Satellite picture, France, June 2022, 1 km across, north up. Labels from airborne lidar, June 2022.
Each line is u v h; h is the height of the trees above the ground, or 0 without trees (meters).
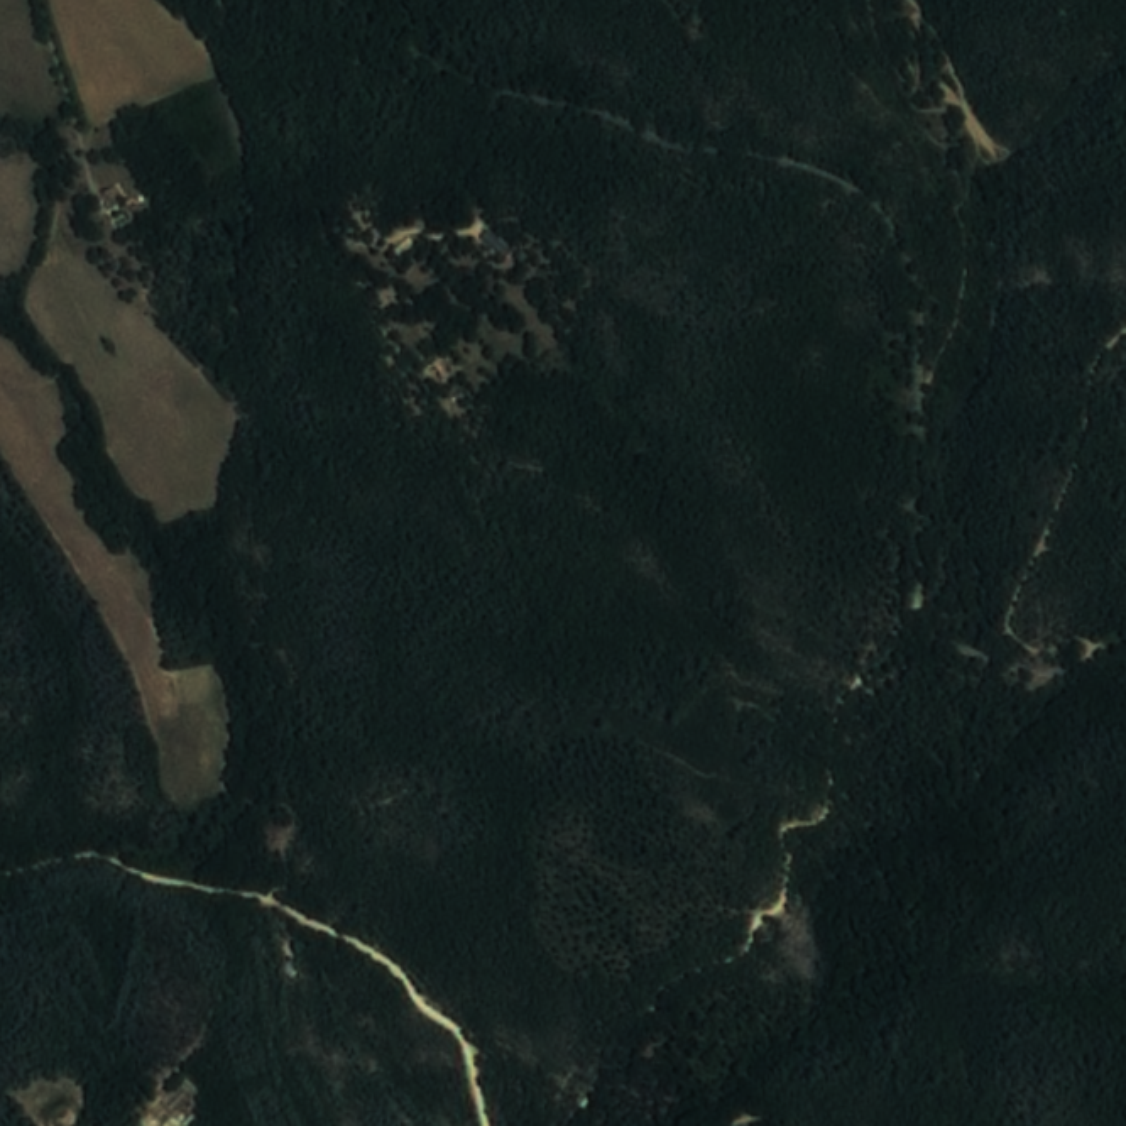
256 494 10
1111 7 7
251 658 15
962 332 6
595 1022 9
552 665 13
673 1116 9
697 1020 19
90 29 0
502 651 12
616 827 14
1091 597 9
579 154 9
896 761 15
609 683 9
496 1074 6
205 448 0
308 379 10
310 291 14
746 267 8
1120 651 14
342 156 10
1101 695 12
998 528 15
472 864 8
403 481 7
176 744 0
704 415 9
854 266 9
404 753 7
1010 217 6
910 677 21
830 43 11
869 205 13
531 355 11
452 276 12
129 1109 15
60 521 0
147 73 0
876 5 7
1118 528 12
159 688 0
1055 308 7
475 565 6
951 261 6
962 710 9
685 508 12
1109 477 11
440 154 13
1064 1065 17
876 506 15
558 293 12
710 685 7
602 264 6
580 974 11
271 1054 12
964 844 18
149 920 17
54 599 13
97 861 10
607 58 9
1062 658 12
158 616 12
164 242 10
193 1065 13
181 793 0
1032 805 8
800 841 8
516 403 10
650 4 9
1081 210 10
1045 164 18
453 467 12
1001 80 11
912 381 10
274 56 13
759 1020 12
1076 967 11
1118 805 15
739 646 5
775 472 10
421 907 11
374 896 6
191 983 10
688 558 8
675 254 8
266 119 15
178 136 11
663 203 16
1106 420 11
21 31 0
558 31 10
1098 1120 9
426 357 9
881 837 19
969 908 19
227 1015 9
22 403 0
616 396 7
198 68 0
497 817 11
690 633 13
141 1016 13
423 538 8
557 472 9
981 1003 9
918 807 18
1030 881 9
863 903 12
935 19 11
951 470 10
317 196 14
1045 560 7
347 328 14
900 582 12
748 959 11
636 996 14
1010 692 12
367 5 15
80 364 0
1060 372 12
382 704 11
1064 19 8
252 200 17
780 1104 12
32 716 12
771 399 8
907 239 13
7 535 13
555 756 10
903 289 17
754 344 8
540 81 12
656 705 12
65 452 12
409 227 14
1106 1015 13
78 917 13
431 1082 7
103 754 15
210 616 12
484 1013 6
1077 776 10
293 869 11
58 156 13
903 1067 9
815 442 11
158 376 0
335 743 9
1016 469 11
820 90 8
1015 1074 18
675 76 9
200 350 14
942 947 12
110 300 0
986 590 13
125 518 8
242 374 13
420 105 11
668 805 9
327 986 9
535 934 9
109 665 19
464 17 13
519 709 16
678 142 14
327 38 16
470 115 19
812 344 8
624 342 8
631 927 14
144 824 7
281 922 7
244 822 14
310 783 8
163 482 0
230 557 9
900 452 19
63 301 0
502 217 6
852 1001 17
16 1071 13
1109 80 14
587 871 12
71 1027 14
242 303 15
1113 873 12
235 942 12
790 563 8
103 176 0
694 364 8
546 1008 7
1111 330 6
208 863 11
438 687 12
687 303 13
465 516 9
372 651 15
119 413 0
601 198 9
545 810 10
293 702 12
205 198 13
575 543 13
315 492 9
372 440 8
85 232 11
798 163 10
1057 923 10
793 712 13
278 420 8
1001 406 17
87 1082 10
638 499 12
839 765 13
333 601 15
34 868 8
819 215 7
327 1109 8
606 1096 17
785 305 10
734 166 16
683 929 12
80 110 12
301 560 14
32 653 19
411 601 12
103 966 12
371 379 10
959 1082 11
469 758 12
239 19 11
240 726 12
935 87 10
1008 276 7
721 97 9
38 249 12
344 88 12
